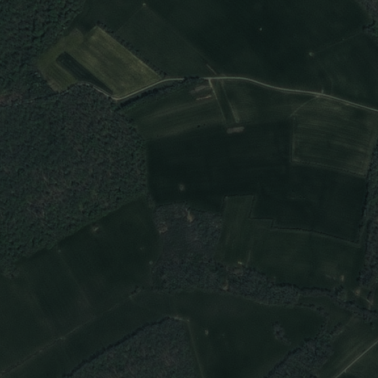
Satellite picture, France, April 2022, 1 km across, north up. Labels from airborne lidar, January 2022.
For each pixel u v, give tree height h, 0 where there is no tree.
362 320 0
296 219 0
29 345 0
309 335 0
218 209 0
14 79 21
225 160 0
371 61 0
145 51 0
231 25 0
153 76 0
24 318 0
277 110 0
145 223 0
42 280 0
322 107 0
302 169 0
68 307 0
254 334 0
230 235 0
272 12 0
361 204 0
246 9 0
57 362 0
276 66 0
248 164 0
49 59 0
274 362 0
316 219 0
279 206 0
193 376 21
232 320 0
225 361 0
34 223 23
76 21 0
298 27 0
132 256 0
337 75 0
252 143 0
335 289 0
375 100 0
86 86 13
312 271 0
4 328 0
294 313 0
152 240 0
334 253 0
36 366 0
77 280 0
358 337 0
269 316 0
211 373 0
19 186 24
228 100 0
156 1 0
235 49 0
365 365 0
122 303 0
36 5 24
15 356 0
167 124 0
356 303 15
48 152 18
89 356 0
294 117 0
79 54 0
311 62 0
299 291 21
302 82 0
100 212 20
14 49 23
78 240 0
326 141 0
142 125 0
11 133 21
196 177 0
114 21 0
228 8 0
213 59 0
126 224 0
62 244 0
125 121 18
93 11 0
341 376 0
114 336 0
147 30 0
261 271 0
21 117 20
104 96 13
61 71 0
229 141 0
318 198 0
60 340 0
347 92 0
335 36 0
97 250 0
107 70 0
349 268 0
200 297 0
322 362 22
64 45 0
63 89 0
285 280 0
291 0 0
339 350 0
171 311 0
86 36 0
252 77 0
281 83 0
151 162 0
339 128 0
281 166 0
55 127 22
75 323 0
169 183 0
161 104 0
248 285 28
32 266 0
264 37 0
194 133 0
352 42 0
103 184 19
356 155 0
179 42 0
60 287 0
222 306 0
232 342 0
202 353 0
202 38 0
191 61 0
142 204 0
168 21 0
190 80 14
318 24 0
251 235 0
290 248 0
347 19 0
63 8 23
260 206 0
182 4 0
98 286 0
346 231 0
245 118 0
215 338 0
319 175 0
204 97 0
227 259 0
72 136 22
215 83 0
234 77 0
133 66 0
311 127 0
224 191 0
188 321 0
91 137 21
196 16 0
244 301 0
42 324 0
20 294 0
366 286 22
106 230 0
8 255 23
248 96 0
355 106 0
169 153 0
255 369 0
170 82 0
